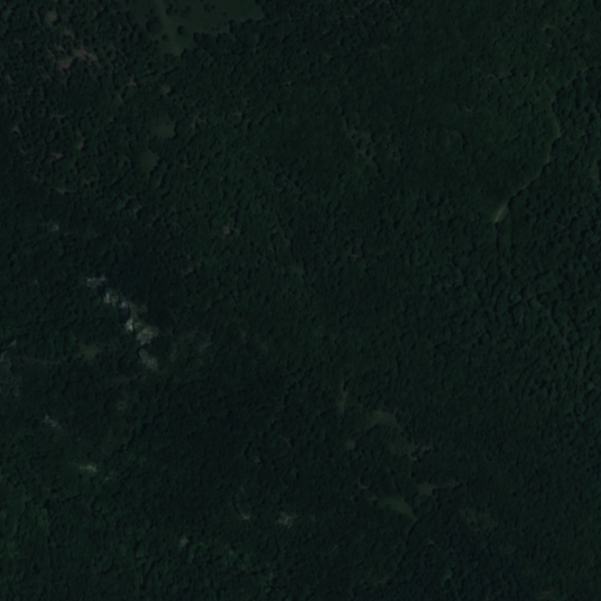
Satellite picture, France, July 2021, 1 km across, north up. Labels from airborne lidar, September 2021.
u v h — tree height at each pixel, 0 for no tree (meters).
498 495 28
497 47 22
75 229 17
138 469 16
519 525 26
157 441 21
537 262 14
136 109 18
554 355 30
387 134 25
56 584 28
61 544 20
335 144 25
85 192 21
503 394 28
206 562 23
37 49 22
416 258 29
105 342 15
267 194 26
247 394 24
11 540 24
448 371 28
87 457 8
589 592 28
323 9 20
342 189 29
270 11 20
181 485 15
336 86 17
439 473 21
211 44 20
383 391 23
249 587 28
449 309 28
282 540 21
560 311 26
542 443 27
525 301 18
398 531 18
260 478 21
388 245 21
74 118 16
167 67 21
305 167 30
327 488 23
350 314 23
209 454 16
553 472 28
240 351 12
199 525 23
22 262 26
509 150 25
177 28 0
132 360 9
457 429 26
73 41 20
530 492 27
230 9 0
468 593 20
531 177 14
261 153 24
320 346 24
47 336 17
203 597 26
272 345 8
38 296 7
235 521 6
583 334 31
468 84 27
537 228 16
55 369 14
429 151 20
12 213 14
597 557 27
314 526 8
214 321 10
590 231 13
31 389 13
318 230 22
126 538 26
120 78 27
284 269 28
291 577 22
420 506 17
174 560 22
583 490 27
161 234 21
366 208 22
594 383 25
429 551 27
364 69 21
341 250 24
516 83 32
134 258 11
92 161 22
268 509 17
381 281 28
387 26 20
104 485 12
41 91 18
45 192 18
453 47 16
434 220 19
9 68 23
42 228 17
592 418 30
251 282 27
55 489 8
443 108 29
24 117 18
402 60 16
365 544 14
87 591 27
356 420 17
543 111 34
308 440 24
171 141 15
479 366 28
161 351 18
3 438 16
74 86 20
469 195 31
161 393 17
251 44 18
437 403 30
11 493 24
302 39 21
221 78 21
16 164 16
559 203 23
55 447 8
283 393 19
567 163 23
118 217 22
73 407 7
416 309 24
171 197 22
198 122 20
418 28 23
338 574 23
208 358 9
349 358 24
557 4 30
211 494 21
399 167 23
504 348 27
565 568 25
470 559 17
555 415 28
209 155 26
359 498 15
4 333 15
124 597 27
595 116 23
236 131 25
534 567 17
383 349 28
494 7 8
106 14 25
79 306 13
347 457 25
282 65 16
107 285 8
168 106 24
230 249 23
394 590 24
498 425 27
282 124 24
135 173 19
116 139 22
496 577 22
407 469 21
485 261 27
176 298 16
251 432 23
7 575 27
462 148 21
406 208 25
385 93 21
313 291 23
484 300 21
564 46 24
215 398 16
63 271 17
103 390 6
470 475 25
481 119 25
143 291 18
